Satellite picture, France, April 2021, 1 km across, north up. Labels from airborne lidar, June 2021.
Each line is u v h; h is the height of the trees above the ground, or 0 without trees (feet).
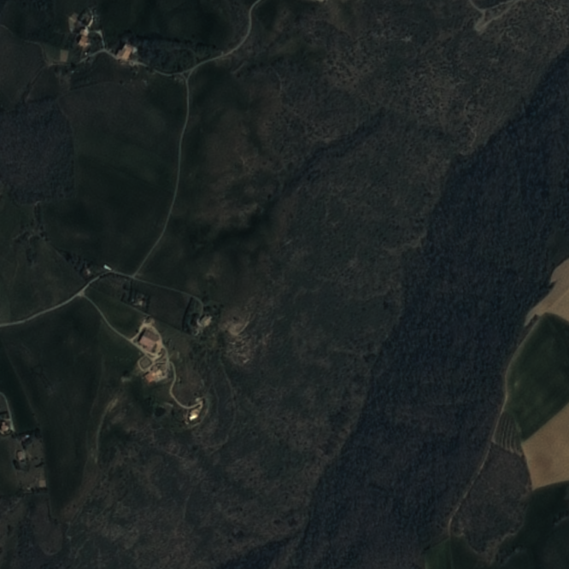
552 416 0
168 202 0
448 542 0
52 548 0
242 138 0
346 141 17
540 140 26
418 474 34
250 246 0
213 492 18
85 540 0
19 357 0
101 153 0
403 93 23
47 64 0
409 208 28
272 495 24
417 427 33
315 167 35
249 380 28
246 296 0
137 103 0
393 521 22
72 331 0
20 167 28
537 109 32
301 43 0
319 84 28
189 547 20
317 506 34
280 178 0
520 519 31
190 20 0
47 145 44
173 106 0
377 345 38
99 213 0
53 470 0
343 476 33
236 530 21
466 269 20
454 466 23
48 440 0
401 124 25
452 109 20
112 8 0
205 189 0
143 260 0
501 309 21
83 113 0
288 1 0
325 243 30
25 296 0
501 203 24
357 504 31
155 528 23
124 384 0
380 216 21
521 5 28
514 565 0
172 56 43
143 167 0
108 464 0
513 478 33
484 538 23
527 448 0
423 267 50
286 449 32
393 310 42
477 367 28
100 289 0
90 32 26
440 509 23
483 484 23
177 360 0
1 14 0
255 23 0
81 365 0
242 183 0
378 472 30
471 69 26
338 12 0
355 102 33
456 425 23
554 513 0
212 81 0
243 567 24
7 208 0
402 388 22
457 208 25
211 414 0
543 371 0
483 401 21
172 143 0
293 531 43
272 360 34
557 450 0
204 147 0
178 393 0
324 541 32
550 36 19
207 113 0
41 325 0
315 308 0
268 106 0
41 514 0
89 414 0
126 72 0
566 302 0
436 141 23
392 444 43
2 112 35
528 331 0
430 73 24
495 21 22
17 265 0
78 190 0
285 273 0
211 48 25
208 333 31
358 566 18
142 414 0
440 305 23
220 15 0
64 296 0
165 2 0
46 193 33
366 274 40
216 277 0
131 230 0
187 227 0
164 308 0
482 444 31
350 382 29
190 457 25
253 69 34
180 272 0
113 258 0
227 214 0
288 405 0
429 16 0
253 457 19
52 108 26
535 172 23
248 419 32
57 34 0
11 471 0
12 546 0
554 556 0
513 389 0
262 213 0
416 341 35
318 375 0
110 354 0
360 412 33
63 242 0
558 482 0
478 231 40
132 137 0
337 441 52
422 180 25
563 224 30
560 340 0
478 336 22
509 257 20
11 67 0
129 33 35
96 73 0
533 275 18
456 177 26
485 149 44
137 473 0
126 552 22
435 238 46
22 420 0
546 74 37
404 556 30
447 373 20
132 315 0
